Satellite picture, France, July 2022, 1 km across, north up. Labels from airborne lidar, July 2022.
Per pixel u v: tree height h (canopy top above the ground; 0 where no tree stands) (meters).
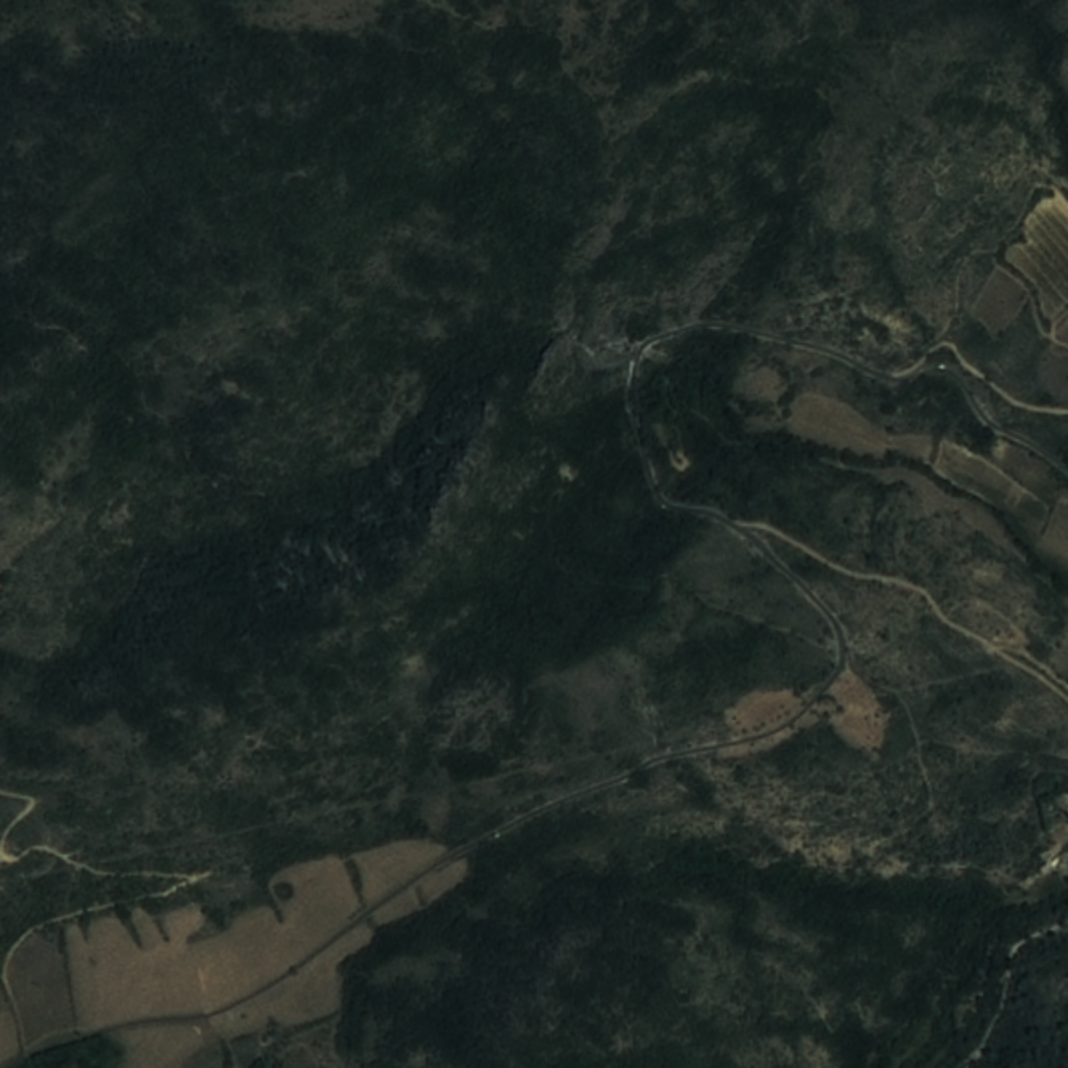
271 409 8
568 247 6
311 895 0
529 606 9
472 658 9
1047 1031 6
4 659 10
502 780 0
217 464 7
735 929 6
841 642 0
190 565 8
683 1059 7
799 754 5
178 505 6
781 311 0
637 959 6
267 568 9
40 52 6
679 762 6
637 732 0
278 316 0
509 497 6
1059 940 12
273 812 7
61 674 7
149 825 0
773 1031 6
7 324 8
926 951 6
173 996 0
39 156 6
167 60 8
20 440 6
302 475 6
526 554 7
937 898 10
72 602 6
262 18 0
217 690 6
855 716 0
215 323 0
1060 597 7
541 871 6
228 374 6
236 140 7
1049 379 0
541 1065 5
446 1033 6
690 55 9
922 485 0
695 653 6
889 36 6
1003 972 9
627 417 7
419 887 0
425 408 7
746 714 0
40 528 0
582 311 7
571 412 7
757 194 10
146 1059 0
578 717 0
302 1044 0
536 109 7
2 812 0
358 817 6
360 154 6
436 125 6
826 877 8
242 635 7
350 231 6
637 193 8
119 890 8
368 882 0
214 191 6
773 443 7
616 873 6
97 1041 9
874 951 8
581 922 6
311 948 0
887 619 0
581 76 6
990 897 10
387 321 6
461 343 7
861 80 6
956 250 6
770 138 6
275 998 0
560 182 7
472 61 6
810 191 6
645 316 8
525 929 6
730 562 0
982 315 0
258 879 8
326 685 6
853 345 7
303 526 9
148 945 0
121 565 6
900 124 6
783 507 8
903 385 6
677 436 6
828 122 8
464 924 7
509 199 10
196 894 8
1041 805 13
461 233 6
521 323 6
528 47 7
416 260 8
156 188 6
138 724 7
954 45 0
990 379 7
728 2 6
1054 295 0
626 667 0
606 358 0
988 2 7
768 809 0
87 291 7
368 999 6
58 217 6
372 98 6
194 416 6
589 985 6
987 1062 6
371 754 6
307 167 7
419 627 10
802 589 0
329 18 0
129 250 7
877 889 11
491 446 7
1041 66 8
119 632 8
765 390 0
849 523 11
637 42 6
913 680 0
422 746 5
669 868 9
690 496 7
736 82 6
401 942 7
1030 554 9
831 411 0
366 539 9
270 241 6
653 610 6
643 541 8
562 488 7
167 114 7
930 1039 6
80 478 5
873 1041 9
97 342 10
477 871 6
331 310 6
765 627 8
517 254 9
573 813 5
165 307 6
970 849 11
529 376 6
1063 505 0
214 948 0
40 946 0
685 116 6
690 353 7
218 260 6
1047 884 0
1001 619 0
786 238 8
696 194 7
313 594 6
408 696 0
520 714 8
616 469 7
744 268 7
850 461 14
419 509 6
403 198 5
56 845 0
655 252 8
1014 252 0
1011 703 0
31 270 6
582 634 6
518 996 6
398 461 6
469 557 6
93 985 0
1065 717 0
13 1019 0
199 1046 0
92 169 6
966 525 0
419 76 7
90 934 0
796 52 6
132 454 7
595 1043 7
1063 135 8
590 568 6
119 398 9
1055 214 0
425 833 6
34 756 6
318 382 6
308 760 6
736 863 9
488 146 8
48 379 10
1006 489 0
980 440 7
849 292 8
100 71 6
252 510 9
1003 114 7
